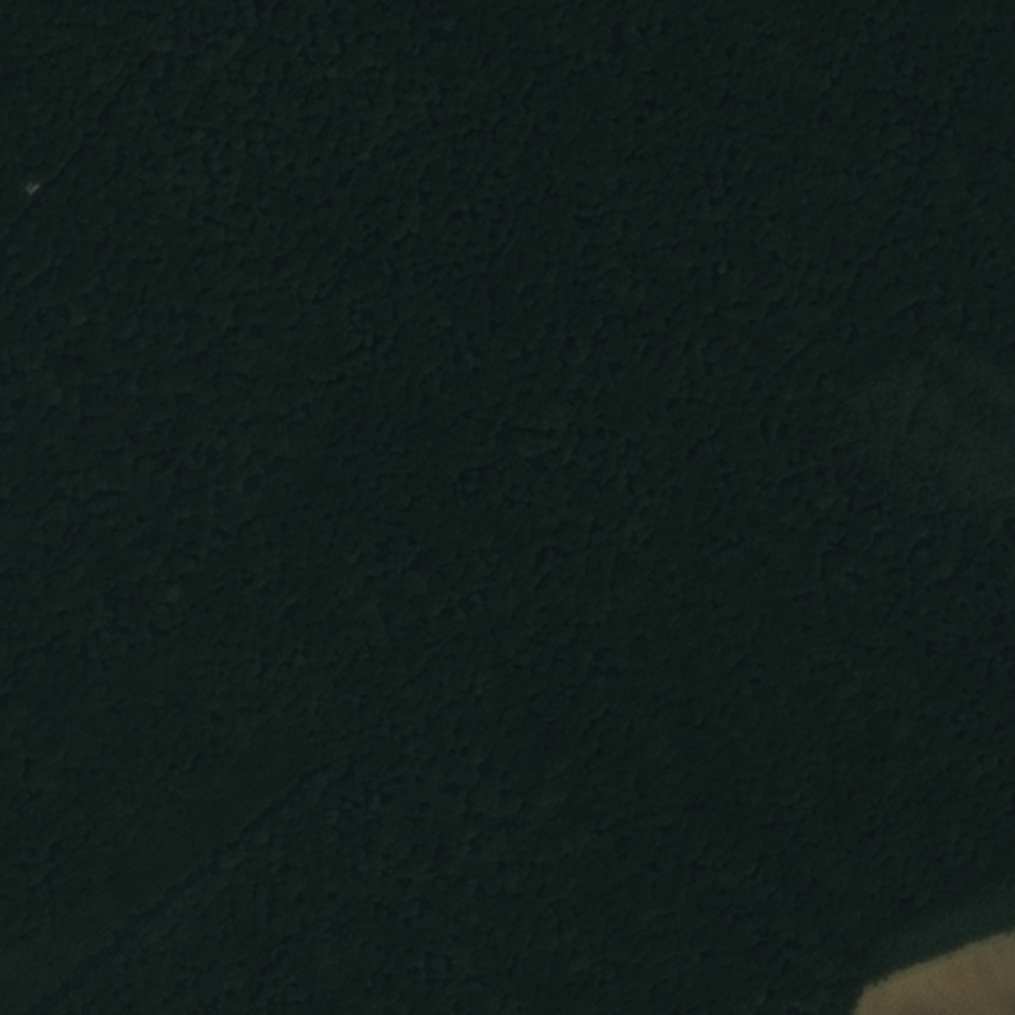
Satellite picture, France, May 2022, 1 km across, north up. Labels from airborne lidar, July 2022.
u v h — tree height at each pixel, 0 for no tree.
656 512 32
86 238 22
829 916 30
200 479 28
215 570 26
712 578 24
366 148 29
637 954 27
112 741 29
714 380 26
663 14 31
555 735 33
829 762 24
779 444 28
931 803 25
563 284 32
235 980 30
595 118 30
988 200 31
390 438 27
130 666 32
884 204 32
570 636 22
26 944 26
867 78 30
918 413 16
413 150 30
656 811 25
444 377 28
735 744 21
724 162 28
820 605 32
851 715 25
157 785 21
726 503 24
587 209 29
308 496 28
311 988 33
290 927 27
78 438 28
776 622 30
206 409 29
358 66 29
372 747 28
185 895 21
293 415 30
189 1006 31
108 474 34
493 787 24
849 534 29
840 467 30
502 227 30
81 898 28
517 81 31
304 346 32
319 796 24
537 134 30
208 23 23
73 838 31
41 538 28
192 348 27
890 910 25
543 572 23
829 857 26
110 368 28
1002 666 26
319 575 31
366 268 26
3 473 28
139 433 34
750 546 30
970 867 25
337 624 27
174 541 33
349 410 22
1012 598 26
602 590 28
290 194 30
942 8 35
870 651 29
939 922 25
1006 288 24
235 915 23
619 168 33
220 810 10
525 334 33
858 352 34
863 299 31
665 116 30
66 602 34
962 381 24
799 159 30
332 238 30
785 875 27
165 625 31
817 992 25
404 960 33
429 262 27
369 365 20
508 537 28
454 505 29
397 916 33
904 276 32
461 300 26
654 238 29
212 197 28
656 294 32
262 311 27
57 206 22
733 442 29
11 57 25
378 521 33
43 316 34
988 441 23
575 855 27
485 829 28
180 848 11
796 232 31
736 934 30
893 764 24
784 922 31
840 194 28
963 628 30
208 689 28
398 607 30
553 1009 22
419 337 31
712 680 25
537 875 29
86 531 29
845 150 31
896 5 29
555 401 31
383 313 31
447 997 27
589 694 30
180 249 27
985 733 30
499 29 24
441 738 30
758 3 24
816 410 28
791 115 30
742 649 27
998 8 31
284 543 23
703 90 31
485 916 28
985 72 29
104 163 23
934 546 31
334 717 29
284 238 33
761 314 28
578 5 30
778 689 29
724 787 28
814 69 28
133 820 28
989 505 15
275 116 30
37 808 26
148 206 33
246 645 25
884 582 27
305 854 31
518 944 28
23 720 30
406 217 28
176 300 28
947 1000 0
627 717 29
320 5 30
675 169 29
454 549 30
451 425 28
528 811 34
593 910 24
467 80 30
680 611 27
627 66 32
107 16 28
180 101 30
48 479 26
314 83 28
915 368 28
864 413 22
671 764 29
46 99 23
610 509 25
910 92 32
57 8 28
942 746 31
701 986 28
